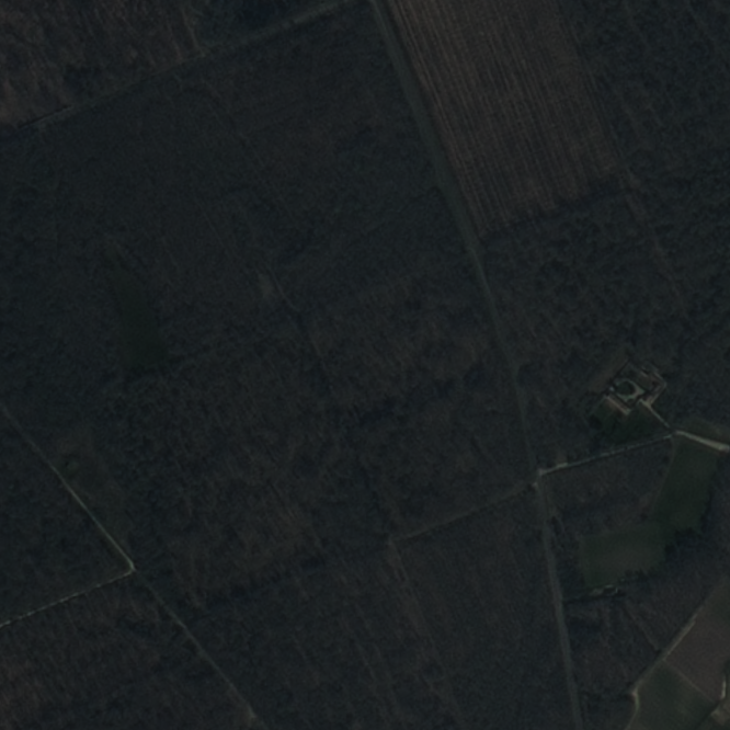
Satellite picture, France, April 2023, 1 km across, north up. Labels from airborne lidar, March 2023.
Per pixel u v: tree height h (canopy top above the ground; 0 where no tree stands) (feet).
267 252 63
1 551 86
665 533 0
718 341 75
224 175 51
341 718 38
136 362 0
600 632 52
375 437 89
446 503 83
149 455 57
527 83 0
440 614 35
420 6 0
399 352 95
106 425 57
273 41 52
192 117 46
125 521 0
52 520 100
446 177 0
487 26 0
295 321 90
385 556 84
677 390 42
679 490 0
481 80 0
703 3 52
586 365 61
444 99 0
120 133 51
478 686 32
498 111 0
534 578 27
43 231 74
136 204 57
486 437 81
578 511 25
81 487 0
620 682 72
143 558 79
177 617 61
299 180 46
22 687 56
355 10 51
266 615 62
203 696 79
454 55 0
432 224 42
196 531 83
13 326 84
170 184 50
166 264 54
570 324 74
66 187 26
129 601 55
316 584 89
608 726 68
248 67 52
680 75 74
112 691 43
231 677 84
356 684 83
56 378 77
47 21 77
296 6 60
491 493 75
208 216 51
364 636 86
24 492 71
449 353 81
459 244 52
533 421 64
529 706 50
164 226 39
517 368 0
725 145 48
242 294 56
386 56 52
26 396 76
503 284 91
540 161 0
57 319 65
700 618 0
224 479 89
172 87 53
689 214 83
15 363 87
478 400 91
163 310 52
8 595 95
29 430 79
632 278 72
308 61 52
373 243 46
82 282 55
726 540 74
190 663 63
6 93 91
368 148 73
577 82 0
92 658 49
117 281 0
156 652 56
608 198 89
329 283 43
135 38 78
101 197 61
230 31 25
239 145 53
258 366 88
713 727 0
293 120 45
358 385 87
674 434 40
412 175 74
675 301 77
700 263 86
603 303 32
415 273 81
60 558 89
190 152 50
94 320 49
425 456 77
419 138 60
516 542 33
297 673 71
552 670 64
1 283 98
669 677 0
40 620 52
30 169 86
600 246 70
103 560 78
